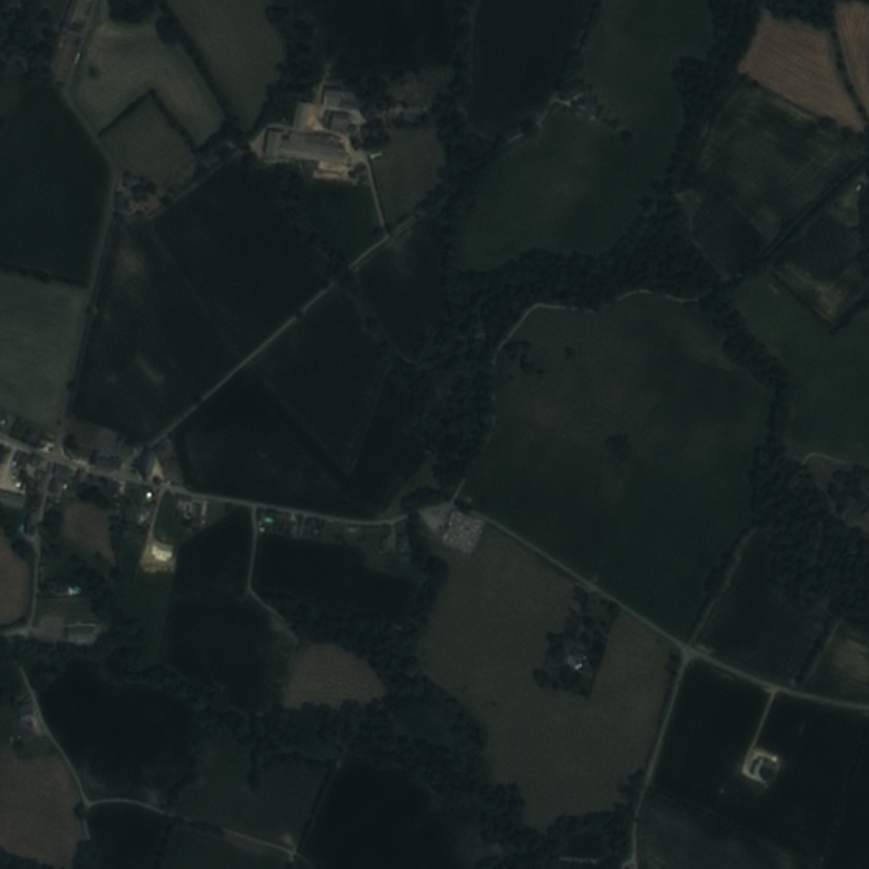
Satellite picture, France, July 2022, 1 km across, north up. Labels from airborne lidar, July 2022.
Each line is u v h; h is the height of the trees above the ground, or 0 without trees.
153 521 0
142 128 0
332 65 0
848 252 0
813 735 0
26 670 0
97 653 14
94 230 0
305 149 0
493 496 0
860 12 0
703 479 0
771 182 0
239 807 0
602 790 0
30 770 0
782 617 0
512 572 0
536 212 0
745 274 18
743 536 7
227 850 0
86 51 0
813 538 28
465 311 10
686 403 0
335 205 0
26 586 0
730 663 0
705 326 0
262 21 0
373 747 27
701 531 0
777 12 22
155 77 0
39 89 0
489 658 0
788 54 0
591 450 0
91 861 22
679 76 16
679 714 0
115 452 0
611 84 0
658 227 23
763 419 0
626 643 0
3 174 0
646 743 0
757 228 0
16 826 0
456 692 0
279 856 0
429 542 0
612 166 0
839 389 0
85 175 0
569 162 0
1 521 18
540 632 0
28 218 0
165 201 10
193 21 0
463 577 0
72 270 0
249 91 0
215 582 0
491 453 0
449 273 19
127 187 6
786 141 0
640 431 0
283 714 22
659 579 0
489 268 0
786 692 0
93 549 0
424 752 20
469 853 0
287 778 0
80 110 0
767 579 0
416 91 0
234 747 0
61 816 0
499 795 13
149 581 0
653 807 0
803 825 0
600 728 0
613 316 0
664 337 0
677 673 9
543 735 0
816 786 0
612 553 0
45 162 0
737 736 0
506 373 0
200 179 13
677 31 0
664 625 0
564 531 0
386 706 8
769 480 14
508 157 0
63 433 0
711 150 0
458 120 27
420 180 0
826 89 0
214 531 0
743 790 0
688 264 16
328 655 0
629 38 0
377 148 9
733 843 0
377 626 20
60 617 0
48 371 0
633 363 0
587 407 0
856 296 0
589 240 0
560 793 0
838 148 0
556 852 12
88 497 17
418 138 0
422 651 0
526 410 0
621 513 0
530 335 0
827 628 14
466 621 0
